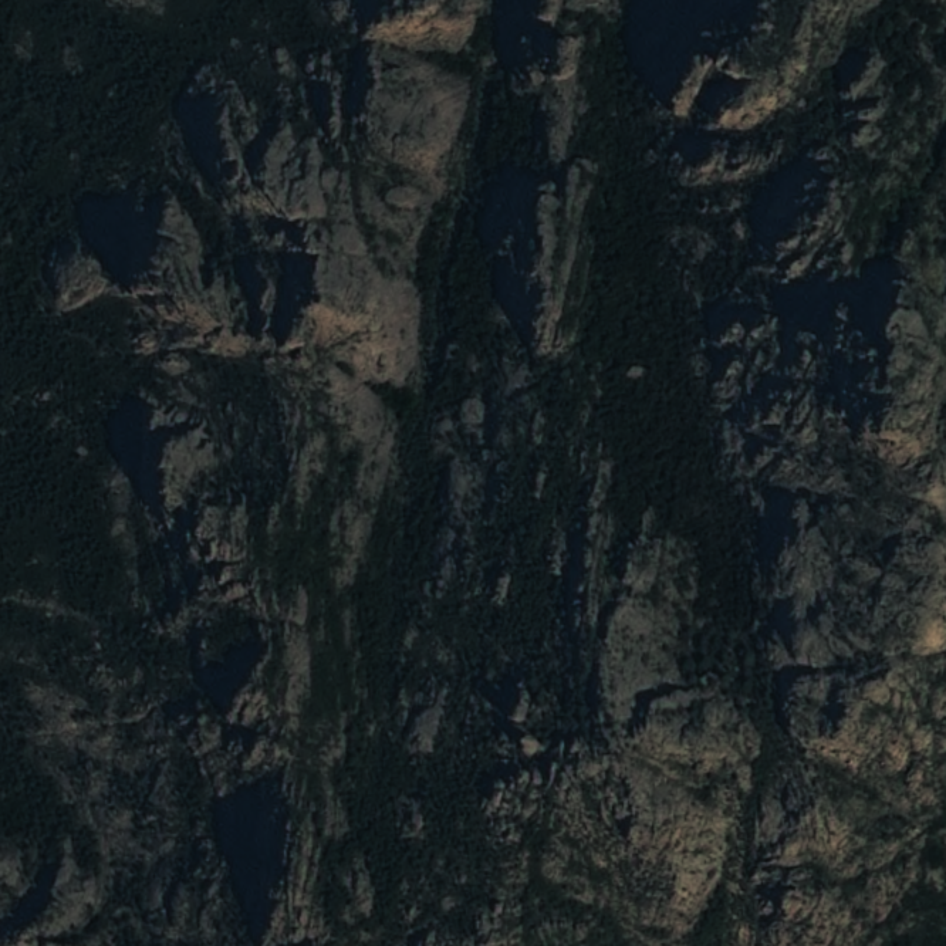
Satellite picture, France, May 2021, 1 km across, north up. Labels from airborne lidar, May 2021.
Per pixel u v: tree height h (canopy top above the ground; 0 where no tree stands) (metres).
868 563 7
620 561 12
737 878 10
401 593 12
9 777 12
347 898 9
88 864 10
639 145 13
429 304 13
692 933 14
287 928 13
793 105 11
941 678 8
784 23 15
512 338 9
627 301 16
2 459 16
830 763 7
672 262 10
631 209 16
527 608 14
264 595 16
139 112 13
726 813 11
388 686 12
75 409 6
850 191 11
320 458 6
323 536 8
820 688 0
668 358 16
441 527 9
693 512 20
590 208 20
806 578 0
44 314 13
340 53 6
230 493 6
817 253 8
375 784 8
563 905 11
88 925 7
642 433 18
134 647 12
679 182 6
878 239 20
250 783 12
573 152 11
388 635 13
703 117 8
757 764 15
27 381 15
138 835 12
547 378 12
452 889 5
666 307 15
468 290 19
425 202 0
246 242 11
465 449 6
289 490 13
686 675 11
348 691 6
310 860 10
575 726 17
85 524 10
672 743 0
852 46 17
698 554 6
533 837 10
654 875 8
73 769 7
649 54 12
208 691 7
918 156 24
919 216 6
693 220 7
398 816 11
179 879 10
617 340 16
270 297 8
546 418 13
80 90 16
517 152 17
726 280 9
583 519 15
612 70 13
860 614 8
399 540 12
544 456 14
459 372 13
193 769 6
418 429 9
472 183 7
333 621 8
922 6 14
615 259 22
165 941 11
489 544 12
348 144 11
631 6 13
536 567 13
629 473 17
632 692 0
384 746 9
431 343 16
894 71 12
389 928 10
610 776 17
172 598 9
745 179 11
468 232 16
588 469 8
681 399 12
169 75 16
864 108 0
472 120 10
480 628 13
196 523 11
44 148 13
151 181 6
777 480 7
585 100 6
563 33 11
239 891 8
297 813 11
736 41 13
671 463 17
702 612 13
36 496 12
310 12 7
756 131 8
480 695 11
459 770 9
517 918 7
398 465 9
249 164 8
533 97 16
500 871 7
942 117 9
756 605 12
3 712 15
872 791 9
